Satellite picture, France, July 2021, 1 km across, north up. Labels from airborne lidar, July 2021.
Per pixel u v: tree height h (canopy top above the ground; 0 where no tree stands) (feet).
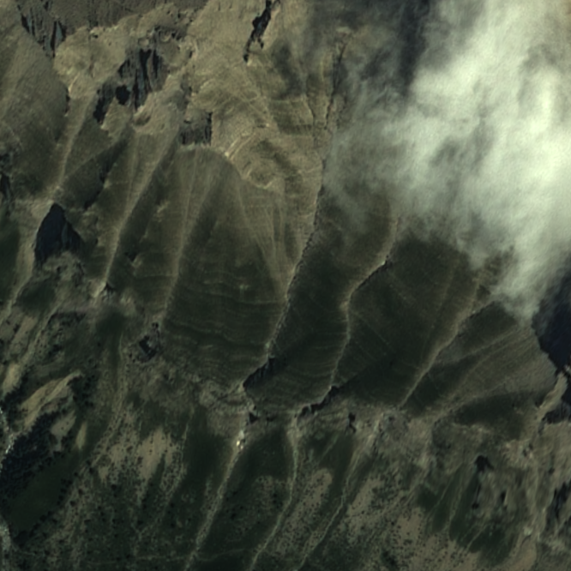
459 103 0
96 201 0
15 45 0
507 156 0
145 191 0
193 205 0
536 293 0
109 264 0
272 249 0
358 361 0
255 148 0
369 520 0
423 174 0
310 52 0
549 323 0
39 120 0
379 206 0
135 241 0
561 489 0
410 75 0
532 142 0
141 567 0
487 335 0
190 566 0
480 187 0
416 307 0
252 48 0
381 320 0
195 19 0
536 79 0
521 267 0
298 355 0
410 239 0
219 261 0
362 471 0
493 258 0
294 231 0
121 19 0
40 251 0
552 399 0
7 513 25
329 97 0
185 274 0
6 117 0
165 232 0
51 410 0
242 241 0
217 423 0
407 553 0
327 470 0
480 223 0
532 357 0
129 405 0
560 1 0
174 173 0
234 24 0
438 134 0
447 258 0
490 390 0
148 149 0
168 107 0
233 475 0
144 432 0
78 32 0
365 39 0
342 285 0
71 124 0
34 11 0
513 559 0
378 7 0
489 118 0
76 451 0
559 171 0
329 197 0
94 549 0
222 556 0
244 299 0
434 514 0
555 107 0
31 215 0
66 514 0
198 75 0
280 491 0
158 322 0
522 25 0
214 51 0
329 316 0
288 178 0
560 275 0
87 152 0
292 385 0
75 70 0
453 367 0
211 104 0
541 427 0
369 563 0
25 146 0
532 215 0
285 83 0
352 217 0
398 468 0
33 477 20
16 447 28
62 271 0
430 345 0
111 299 0
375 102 0
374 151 0
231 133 0
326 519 0
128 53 0
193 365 0
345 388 0
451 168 0
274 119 0
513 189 0
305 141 0
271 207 0
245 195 0
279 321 0
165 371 0
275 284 0
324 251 0
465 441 0
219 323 0
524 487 0
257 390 0
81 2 0
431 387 0
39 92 0
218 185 0
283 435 0
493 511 0
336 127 0
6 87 0
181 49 0
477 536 0
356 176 0
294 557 0
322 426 0
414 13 0
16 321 0
